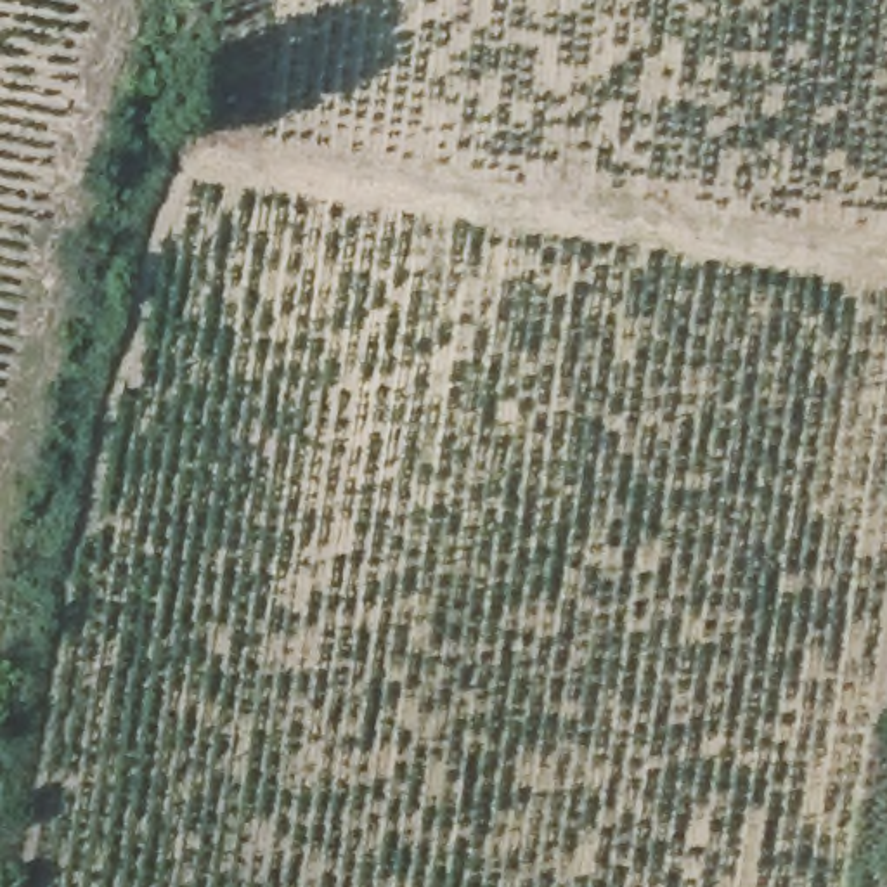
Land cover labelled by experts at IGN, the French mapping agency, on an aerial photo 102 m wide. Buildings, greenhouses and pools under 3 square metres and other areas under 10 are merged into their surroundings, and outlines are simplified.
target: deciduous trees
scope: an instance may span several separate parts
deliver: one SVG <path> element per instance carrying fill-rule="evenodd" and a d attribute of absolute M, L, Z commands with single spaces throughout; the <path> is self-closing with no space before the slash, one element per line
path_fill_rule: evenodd
<path fill-rule="evenodd" d="M 7 686 L 14 686 L 17 669 L 10 669 L 10 662 L 0 662 L 0 762 L 17 762 L 10 741 L 3 738 L 3 696 Z"/>
<path fill-rule="evenodd" d="M 149 111 L 156 100 L 166 97 L 173 104 L 201 104 L 208 97 L 211 59 L 218 45 L 208 35 L 194 31 L 201 14 L 197 0 L 139 0 L 139 35 L 132 52 L 125 52 L 135 66 L 128 94 L 132 132 L 121 146 L 128 152 L 152 142 Z"/>
<path fill-rule="evenodd" d="M 100 402 L 107 360 L 125 326 L 132 263 L 114 256 L 107 277 L 97 277 L 94 263 L 104 260 L 107 239 L 90 239 L 83 225 L 62 232 L 55 253 L 59 277 L 73 284 L 73 295 L 66 301 L 62 371 L 45 388 L 52 416 L 45 426 L 45 444 L 38 450 L 35 471 L 3 478 L 0 485 L 0 648 L 10 648 L 17 638 L 28 638 L 31 651 L 45 651 L 49 644 L 49 631 L 55 620 L 52 579 L 59 568 L 62 541 L 76 516 L 76 492 L 90 444 L 94 405 Z"/>

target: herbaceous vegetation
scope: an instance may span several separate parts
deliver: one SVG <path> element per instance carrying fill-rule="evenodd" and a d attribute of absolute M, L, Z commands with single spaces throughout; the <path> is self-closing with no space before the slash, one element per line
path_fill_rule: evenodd
<path fill-rule="evenodd" d="M 870 755 L 863 825 L 852 849 L 849 887 L 887 887 L 887 710 L 877 721 L 877 745 Z"/>

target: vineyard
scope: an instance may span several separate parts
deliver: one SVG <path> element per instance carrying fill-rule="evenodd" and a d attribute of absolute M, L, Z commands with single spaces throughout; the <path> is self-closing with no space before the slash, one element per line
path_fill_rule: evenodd
<path fill-rule="evenodd" d="M 107 277 L 114 256 L 132 263 L 125 326 L 107 360 L 100 402 L 94 405 L 90 444 L 76 492 L 76 516 L 62 541 L 59 568 L 52 579 L 55 620 L 49 631 L 49 644 L 45 651 L 31 651 L 28 638 L 17 638 L 10 648 L 0 648 L 0 662 L 10 662 L 10 669 L 17 669 L 14 686 L 7 686 L 3 696 L 3 738 L 10 741 L 17 762 L 0 762 L 0 887 L 849 887 L 852 849 L 863 825 L 870 755 L 877 745 L 877 721 L 887 710 L 887 0 L 197 0 L 201 14 L 194 31 L 208 35 L 218 45 L 211 59 L 208 97 L 201 104 L 173 104 L 166 97 L 156 100 L 149 111 L 152 142 L 128 152 L 121 146 L 132 132 L 128 94 L 135 66 L 125 52 L 132 52 L 139 35 L 139 0 L 0 0 L 0 485 L 3 478 L 35 471 L 38 450 L 45 444 L 45 426 L 52 416 L 45 388 L 62 371 L 66 301 L 73 295 L 73 284 L 59 277 L 55 253 L 62 232 L 83 225 L 90 239 L 107 239 L 104 260 L 94 263 L 97 277 Z"/>

